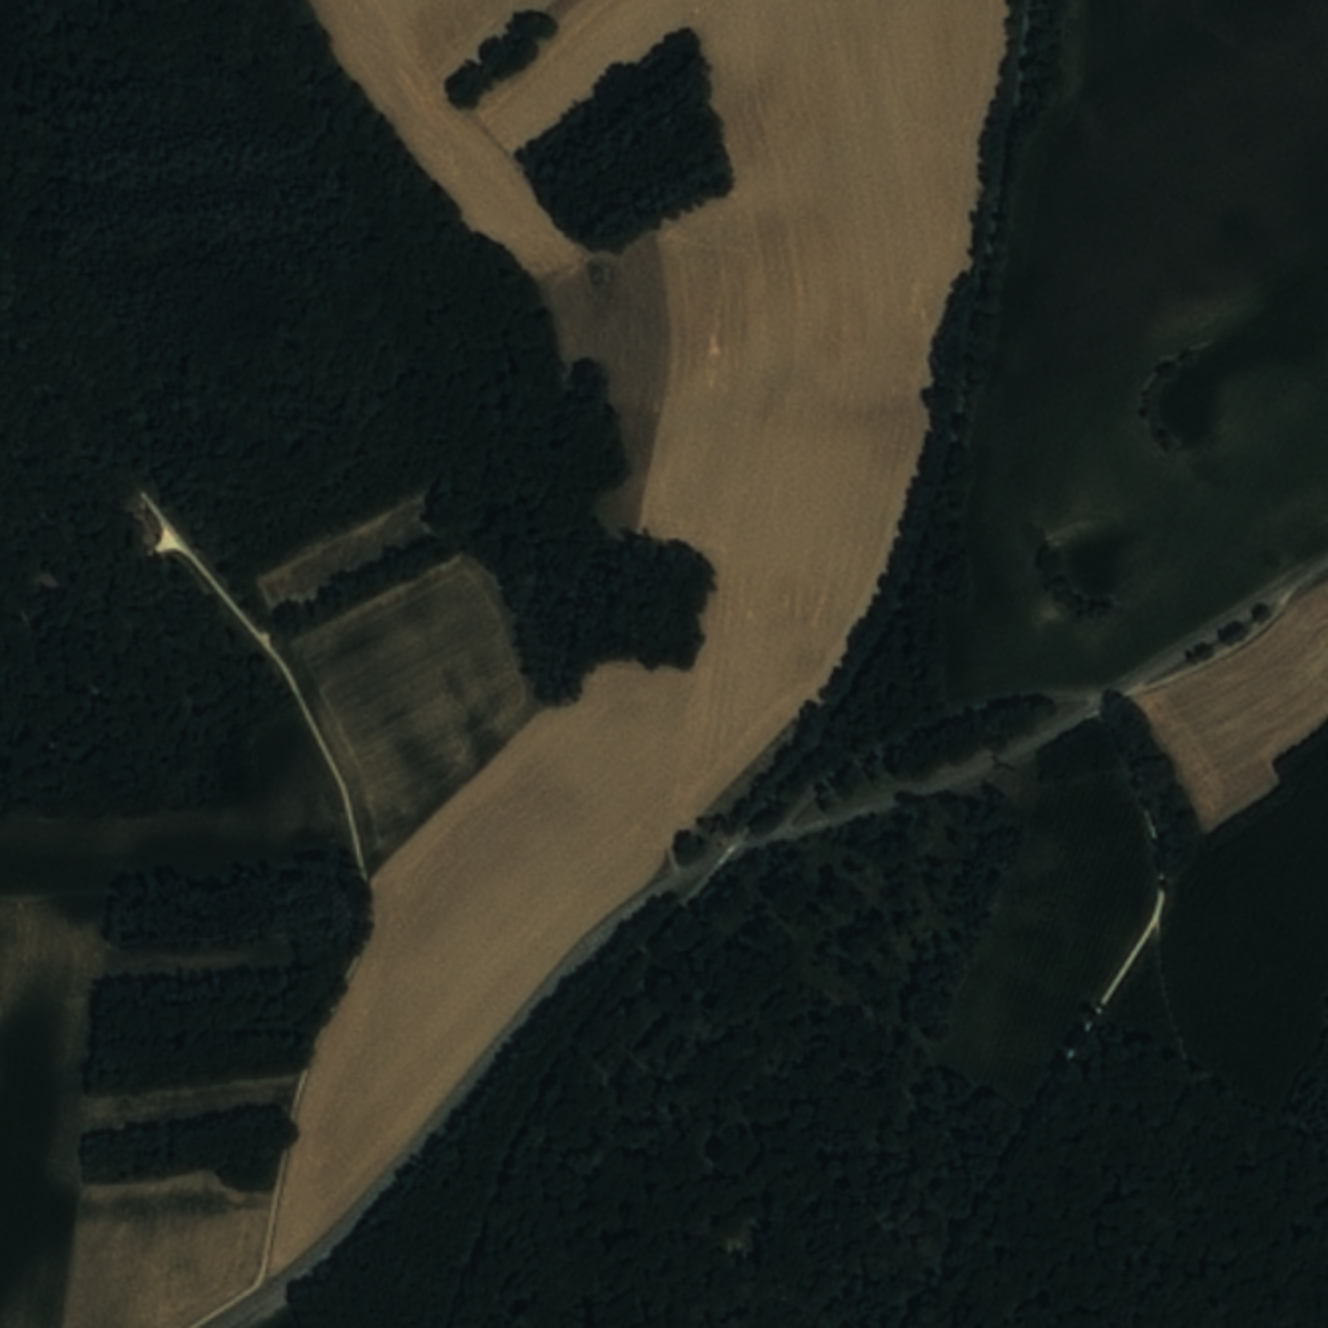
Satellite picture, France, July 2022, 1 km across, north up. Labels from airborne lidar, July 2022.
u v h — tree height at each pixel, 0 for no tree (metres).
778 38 0
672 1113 25
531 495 27
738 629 0
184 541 0
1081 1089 28
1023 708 20
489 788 0
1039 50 20
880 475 0
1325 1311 27
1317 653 0
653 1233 27
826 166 0
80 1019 0
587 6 0
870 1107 23
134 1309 0
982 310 18
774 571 0
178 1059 21
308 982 25
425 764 0
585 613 32
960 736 27
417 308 29
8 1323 0
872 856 30
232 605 0
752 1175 27
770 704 0
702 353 0
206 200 24
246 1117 20
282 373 22
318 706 0
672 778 0
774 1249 28
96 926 0
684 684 0
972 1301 27
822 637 0
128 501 24
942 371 23
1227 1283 24
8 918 0
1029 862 0
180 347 19
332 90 24
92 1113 0
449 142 0
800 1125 27
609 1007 21
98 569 20
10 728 21
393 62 0
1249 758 0
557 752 0
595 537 29
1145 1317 26
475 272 28
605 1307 25
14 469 22
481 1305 26
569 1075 26
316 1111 0
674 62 18
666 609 30
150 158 31
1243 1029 6
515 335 31
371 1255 18
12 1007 0
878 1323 22
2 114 29
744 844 0
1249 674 0
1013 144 16
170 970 0
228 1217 0
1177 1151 26
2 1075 0
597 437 29
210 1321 0
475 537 18
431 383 28
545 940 0
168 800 21
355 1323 19
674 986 25
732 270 0
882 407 0
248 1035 17
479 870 0
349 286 24
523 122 0
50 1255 0
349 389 20
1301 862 6
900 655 21
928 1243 30
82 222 26
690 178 37
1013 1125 21
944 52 0
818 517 0
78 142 22
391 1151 0
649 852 0
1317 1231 24
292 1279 0
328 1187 0
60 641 17
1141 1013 7
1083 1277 29
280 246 24
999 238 14
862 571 0
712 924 24
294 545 22
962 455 19
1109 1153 26
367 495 21
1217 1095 25
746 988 32
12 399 19
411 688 0
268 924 27
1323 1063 11
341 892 21
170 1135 13
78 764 29
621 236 40
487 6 0
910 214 0
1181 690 0
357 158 26
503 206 0
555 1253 30
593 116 17
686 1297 22
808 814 0
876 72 0
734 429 0
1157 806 21
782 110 0
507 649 0
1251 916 6
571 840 0
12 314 19
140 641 21
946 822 0
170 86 20
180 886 28
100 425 15
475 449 28
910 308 0
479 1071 0
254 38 25
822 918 27
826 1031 23
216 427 17
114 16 25
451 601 0
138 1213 0
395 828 0
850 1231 25
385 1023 0
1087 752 11
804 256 0
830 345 0
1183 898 6
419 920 0
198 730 22
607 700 0
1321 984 7
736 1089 28
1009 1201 24
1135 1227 24
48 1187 0
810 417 0
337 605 19
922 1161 21
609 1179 30
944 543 22
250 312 21
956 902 25
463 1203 18
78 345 21
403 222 25
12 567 25
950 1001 22
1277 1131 24
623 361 0
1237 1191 23
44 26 21
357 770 0
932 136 0
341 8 0
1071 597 14
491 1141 20
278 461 24
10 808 25
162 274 22
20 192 24
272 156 29
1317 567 0
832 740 17
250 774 14
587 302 0
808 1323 26
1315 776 7
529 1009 0
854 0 0
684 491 0
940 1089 23
